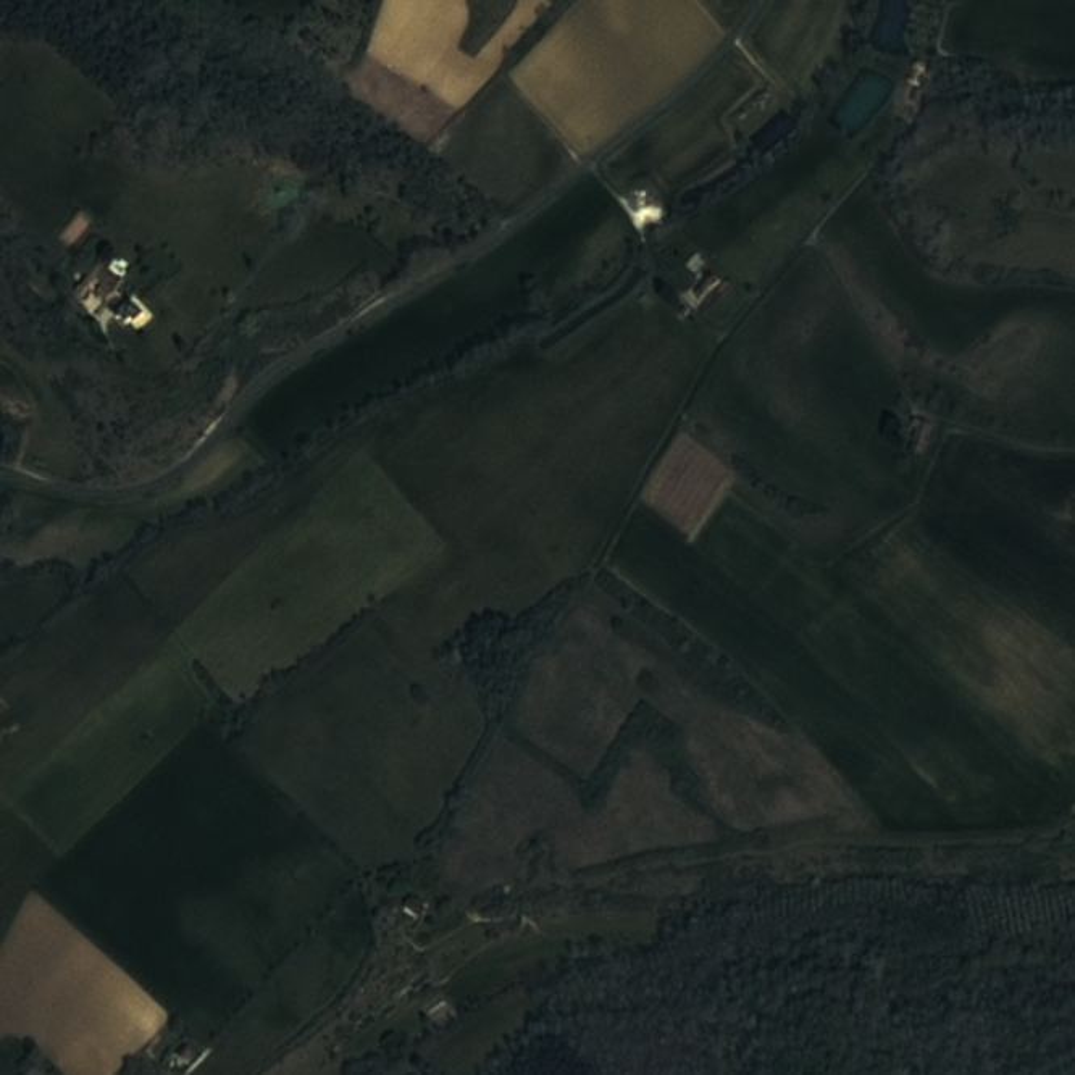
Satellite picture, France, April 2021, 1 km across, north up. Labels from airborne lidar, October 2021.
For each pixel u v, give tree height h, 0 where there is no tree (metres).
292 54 16
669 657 0
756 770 0
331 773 0
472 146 0
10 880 0
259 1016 0
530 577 0
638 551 0
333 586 0
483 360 19
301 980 0
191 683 0
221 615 0
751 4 0
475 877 0
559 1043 16
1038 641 0
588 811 6
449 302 0
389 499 0
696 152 0
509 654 12
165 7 20
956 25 0
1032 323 0
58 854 0
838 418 0
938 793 0
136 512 0
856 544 0
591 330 0
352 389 0
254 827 0
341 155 21
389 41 0
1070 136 13
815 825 0
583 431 0
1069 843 15
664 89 0
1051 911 25
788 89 0
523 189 0
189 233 0
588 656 0
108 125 9
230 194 0
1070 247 0
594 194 0
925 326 0
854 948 19
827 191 0
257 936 0
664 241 21
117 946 0
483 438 0
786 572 0
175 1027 12
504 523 0
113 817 0
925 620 0
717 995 19
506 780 0
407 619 0
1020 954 18
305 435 0
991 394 0
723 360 0
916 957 17
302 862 0
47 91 0
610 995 26
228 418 0
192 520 15
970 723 0
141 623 0
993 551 0
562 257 0
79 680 0
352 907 0
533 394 0
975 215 0
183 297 0
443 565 0
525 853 5
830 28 0
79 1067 0
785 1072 20
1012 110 7
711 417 0
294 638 0
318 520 0
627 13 0
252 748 0
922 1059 19
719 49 0
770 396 0
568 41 0
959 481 0
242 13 13
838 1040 28
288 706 0
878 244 0
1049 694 0
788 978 20
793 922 17
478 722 0
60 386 6
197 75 13
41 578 11
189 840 0
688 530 0
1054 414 0
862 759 0
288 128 16
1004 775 0
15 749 0
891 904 21
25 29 29
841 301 0
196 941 0
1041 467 0
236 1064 0
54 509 0
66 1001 0
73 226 0
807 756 0
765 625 0
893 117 0
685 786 9
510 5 0
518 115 0
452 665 15
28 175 0
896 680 0
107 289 0
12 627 0
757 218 0
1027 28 0
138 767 0
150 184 0
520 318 0
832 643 0
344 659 0
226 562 0
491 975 0
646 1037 16
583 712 0
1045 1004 9
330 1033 7
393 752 0
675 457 0
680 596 0
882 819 0
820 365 0
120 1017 0
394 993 10
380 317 0
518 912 10
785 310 0
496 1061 7
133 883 0
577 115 0
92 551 0
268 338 16
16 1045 0
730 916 18
